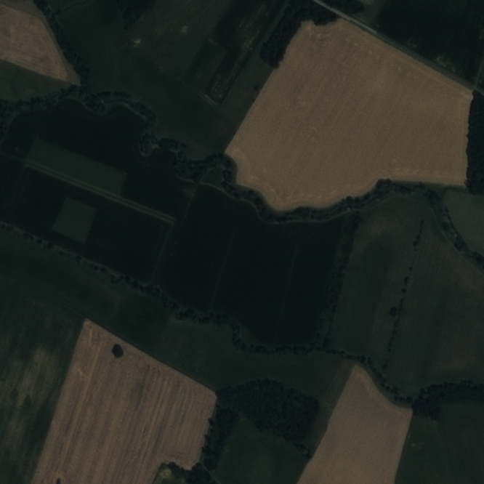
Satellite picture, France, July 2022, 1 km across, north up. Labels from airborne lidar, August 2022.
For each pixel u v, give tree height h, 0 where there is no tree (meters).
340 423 0
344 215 0
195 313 9
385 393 0
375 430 0
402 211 0
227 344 0
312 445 0
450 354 0
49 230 0
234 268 0
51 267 0
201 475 26
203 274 0
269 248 0
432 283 0
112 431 0
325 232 0
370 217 0
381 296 0
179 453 0
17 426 0
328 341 11
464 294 0
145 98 0
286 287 0
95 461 0
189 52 0
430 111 0
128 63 0
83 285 0
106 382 0
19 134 0
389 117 0
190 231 0
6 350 0
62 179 0
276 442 0
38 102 18
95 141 0
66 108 0
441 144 0
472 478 0
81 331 0
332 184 0
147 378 0
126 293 0
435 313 0
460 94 0
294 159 0
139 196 0
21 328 0
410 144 0
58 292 0
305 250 0
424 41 0
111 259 0
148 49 0
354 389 0
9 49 0
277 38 16
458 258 0
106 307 0
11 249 0
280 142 0
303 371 0
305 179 0
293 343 0
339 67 0
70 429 0
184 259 0
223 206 0
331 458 0
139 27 0
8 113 11
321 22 15
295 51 0
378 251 0
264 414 23
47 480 0
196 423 0
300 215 13
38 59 0
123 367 0
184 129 0
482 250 0
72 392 0
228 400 28
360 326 0
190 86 0
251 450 0
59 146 0
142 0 25
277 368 0
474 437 0
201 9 0
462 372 0
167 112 0
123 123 0
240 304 0
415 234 0
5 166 0
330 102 0
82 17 0
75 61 18
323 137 0
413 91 0
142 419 0
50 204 0
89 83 13
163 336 0
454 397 24
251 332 0
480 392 23
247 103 0
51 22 14
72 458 0
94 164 0
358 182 0
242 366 0
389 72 0
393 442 0
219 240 0
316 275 0
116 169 0
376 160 0
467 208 0
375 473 0
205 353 0
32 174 0
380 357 0
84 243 0
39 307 0
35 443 0
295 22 16
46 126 0
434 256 0
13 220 0
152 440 0
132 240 0
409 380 0
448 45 0
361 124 0
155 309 0
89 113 0
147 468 0
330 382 0
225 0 0
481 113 20
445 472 0
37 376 0
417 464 0
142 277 0
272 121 0
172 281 0
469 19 0
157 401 0
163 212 0
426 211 0
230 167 15
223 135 0
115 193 0
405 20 0
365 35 0
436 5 0
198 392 0
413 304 0
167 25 0
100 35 0
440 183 0
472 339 0
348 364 0
